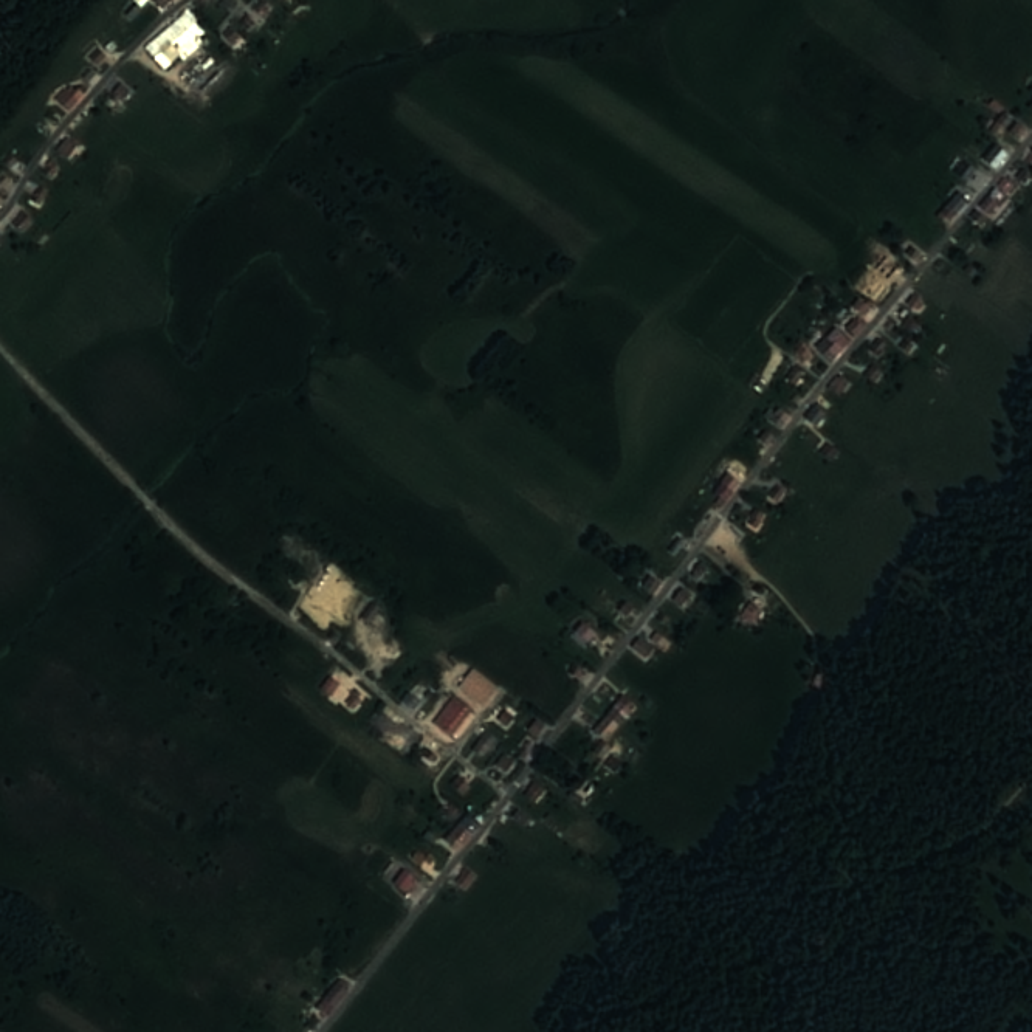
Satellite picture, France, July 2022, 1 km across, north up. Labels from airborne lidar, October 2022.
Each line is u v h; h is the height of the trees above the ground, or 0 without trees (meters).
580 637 0
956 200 0
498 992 0
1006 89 0
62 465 0
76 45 0
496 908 0
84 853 0
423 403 0
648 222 0
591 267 0
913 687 30
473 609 0
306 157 0
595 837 0
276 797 0
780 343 0
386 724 0
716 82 0
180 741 0
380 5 0
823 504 0
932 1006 31
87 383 0
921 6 0
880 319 0
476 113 0
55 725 0
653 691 0
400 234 0
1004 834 24
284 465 0
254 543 0
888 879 23
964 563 28
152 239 0
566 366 0
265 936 0
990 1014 29
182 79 0
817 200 0
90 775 0
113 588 0
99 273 0
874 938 13
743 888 33
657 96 0
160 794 0
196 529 0
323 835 0
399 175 0
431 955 0
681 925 27
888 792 22
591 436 0
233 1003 0
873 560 0
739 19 0
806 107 0
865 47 0
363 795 0
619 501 0
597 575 0
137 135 0
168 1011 0
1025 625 28
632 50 0
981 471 0
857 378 0
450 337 0
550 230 0
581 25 0
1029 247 0
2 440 0
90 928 0
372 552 7
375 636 0
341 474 0
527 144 0
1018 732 23
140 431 0
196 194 0
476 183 0
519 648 0
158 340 0
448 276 0
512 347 20
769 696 0
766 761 0
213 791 0
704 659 0
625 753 0
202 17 12
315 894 0
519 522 0
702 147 0
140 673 0
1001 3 0
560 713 0
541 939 0
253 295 0
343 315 0
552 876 0
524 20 0
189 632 0
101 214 0
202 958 0
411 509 0
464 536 0
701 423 0
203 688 11
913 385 0
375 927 0
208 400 0
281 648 0
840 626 0
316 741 0
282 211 0
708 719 0
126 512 0
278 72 0
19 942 23
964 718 28
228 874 0
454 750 0
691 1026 32
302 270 0
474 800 0
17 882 0
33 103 0
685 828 0
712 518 0
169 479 0
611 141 0
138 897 0
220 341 0
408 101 0
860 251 0
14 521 0
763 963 26
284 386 0
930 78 0
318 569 0
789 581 0
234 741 0
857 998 23
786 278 0
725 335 0
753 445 0
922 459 0
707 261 0
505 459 0
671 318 0
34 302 0
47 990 0
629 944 28
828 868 26
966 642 27
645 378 0
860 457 0
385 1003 0
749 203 0
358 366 0
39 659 0
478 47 0
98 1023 0
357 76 0
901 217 0
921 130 0
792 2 0
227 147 0
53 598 0
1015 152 0
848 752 29
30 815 0
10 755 0
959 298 0
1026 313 0
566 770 13
